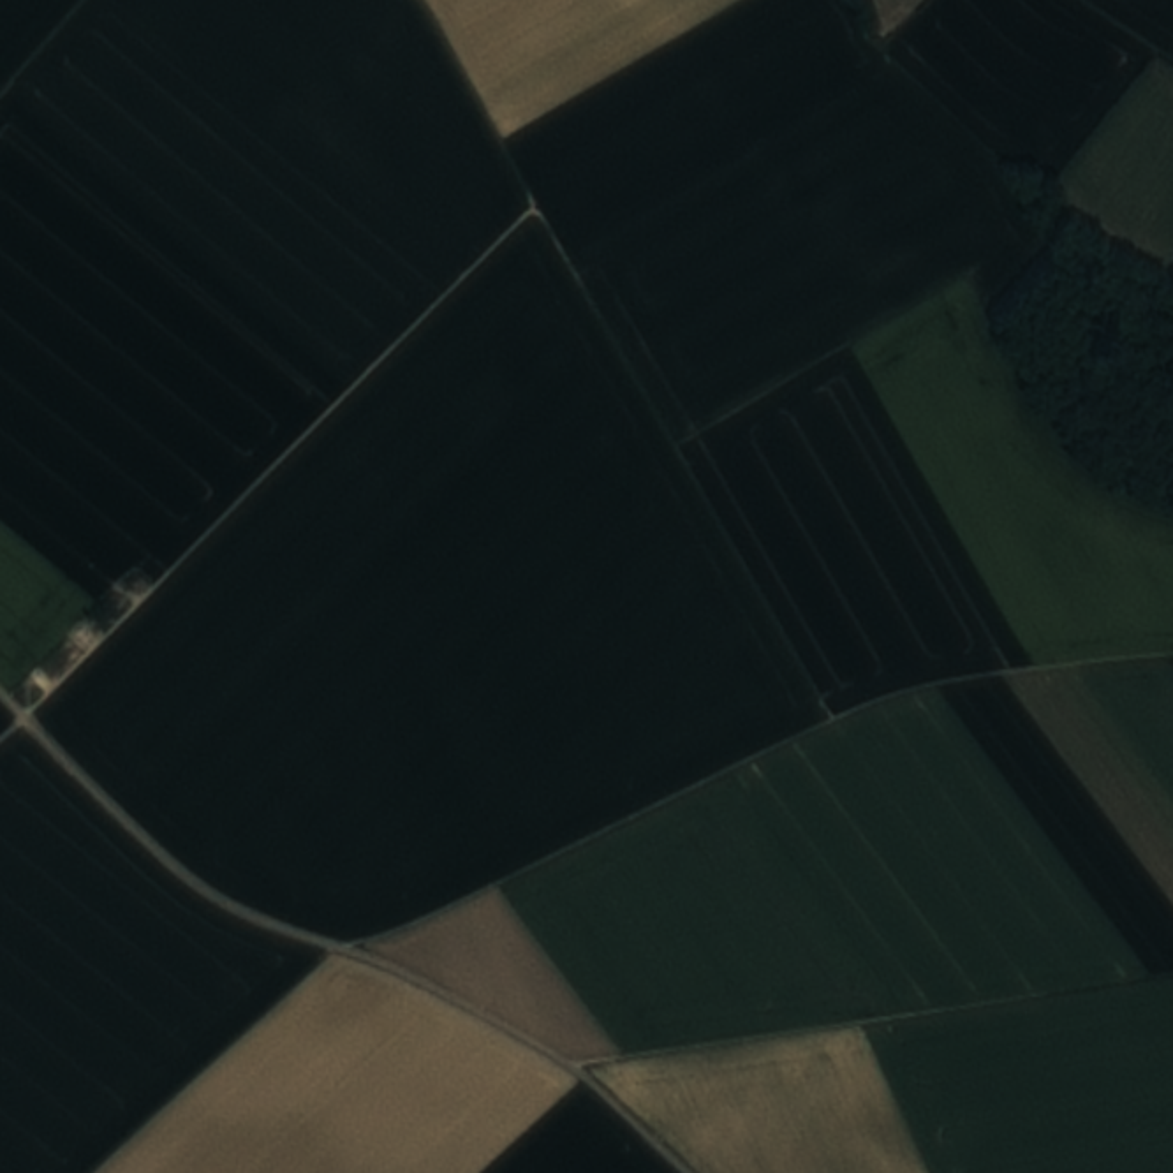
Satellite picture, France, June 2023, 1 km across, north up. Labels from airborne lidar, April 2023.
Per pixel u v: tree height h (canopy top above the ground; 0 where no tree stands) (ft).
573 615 0
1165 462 83
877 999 0
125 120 0
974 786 0
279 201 0
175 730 0
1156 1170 0
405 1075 0
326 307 0
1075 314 117
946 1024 0
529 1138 0
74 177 0
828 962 0
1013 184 56
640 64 0
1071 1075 0
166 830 0
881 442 0
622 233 0
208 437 0
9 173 0
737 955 0
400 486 0
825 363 0
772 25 0
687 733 0
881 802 0
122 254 0
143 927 0
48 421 0
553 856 0
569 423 0
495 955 0
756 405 0
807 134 0
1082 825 0
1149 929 0
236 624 0
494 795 0
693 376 0
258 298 0
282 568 0
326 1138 0
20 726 0
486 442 0
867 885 0
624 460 0
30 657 0
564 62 0
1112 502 0
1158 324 91
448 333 0
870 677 0
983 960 0
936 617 0
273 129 0
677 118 0
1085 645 0
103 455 0
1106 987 0
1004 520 0
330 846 0
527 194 0
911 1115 0
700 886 0
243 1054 0
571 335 0
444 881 0
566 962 0
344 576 0
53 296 0
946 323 0
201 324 0
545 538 0
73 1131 0
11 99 0
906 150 0
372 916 0
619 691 0
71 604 0
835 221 0
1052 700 0
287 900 0
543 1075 0
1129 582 0
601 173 0
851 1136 0
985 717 0
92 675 0
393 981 0
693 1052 0
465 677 0
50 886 0
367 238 0
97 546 0
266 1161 0
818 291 0
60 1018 0
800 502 0
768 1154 0
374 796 0
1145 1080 0
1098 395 105
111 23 0
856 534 0
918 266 0
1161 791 0
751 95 0
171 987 0
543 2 0
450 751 0
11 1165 0
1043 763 0
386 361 0
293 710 0
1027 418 0
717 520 0
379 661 0
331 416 0
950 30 0
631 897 0
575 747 0
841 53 0
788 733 0
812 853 0
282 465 0
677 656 0
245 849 0
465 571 0
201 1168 0
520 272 0
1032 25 0
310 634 0
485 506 0
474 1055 0
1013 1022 0
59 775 0
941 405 0
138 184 0
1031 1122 0
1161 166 0
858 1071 0
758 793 0
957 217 0
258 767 0
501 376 0
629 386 0
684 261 0
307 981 0
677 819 0
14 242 0
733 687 0
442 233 0
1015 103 0
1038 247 0
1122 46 0
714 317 0
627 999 0
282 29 0
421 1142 0
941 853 0
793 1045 0
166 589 0
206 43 0
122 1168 0
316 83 0
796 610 0
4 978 0
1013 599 0
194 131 0
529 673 0
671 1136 0
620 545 0
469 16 0
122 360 0
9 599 0
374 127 0
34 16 0
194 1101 0
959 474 0
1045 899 0
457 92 0
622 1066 0
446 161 0
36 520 0
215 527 0
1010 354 65
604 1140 0
